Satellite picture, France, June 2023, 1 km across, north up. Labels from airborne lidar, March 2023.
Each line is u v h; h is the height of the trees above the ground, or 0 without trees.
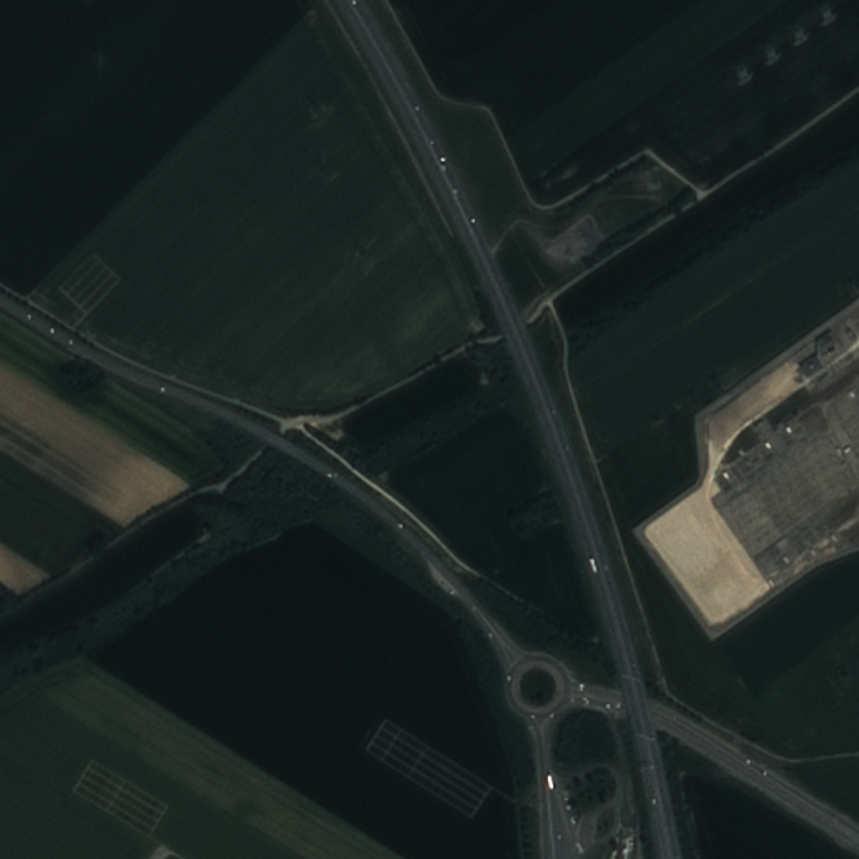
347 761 0
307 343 0
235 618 0
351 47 0
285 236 0
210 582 0
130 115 0
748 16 0
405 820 0
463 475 0
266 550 0
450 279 0
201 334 0
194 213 0
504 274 0
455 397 0
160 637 0
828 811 0
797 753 0
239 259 0
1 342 0
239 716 0
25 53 0
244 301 0
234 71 0
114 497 0
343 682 0
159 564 0
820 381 0
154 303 0
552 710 0
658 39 0
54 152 0
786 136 0
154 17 0
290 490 9
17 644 0
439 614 0
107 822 0
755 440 0
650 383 0
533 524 10
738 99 0
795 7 0
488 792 0
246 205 0
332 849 0
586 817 0
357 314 0
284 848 0
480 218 0
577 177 0
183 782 0
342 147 0
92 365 10
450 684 0
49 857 0
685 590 0
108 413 0
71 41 0
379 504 0
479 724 0
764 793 0
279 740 0
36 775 0
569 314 0
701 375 0
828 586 0
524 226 0
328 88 0
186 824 0
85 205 0
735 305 0
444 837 0
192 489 6
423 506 0
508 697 0
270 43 0
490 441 0
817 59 0
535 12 0
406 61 0
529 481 0
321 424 0
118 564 0
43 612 0
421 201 0
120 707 0
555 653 0
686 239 0
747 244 0
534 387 0
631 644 0
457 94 0
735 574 0
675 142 0
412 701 0
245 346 0
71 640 8
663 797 0
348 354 0
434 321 0
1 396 0
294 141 0
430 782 0
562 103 0
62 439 0
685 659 0
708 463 0
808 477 0
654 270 0
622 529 0
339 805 0
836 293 0
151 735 0
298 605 0
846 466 0
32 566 0
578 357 0
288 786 0
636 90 0
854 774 0
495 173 0
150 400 0
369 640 0
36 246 0
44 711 0
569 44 0
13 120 0
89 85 0
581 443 0
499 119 0
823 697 0
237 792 0
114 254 0
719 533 0
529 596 0
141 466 0
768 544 0
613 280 0
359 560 0
